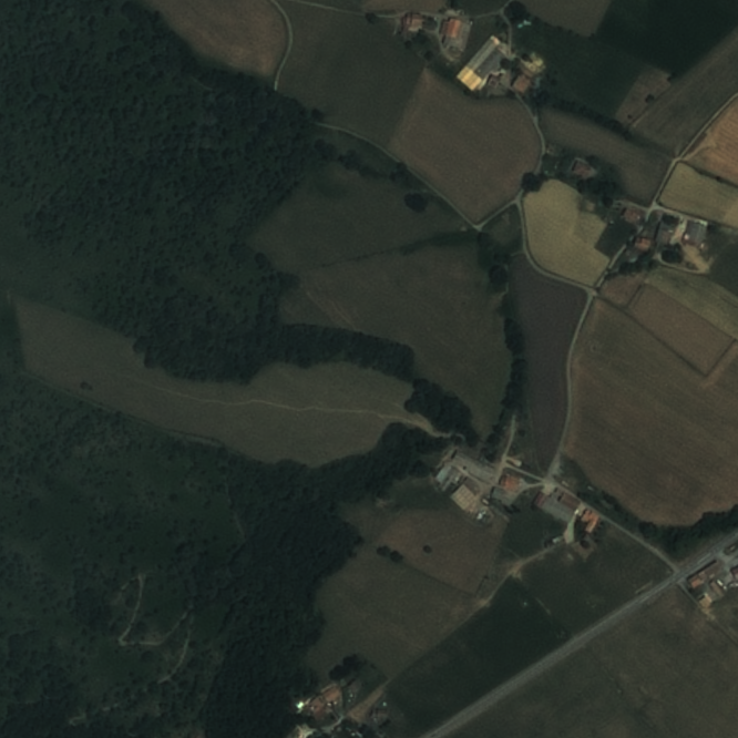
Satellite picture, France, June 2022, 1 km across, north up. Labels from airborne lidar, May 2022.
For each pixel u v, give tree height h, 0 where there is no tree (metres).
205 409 0
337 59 0
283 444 0
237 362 26
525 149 0
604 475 0
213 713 14
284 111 30
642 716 0
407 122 0
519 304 0
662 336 0
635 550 0
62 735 14
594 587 0
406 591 0
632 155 0
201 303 11
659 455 0
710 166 0
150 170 19
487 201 0
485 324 0
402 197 0
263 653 19
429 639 0
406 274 0
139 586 8
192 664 9
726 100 0
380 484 20
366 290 0
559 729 0
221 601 15
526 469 0
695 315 0
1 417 7
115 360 0
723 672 0
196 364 13
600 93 0
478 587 0
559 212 0
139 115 14
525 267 0
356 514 0
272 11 0
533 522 0
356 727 11
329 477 7
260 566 22
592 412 0
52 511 0
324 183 0
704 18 0
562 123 0
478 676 0
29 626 10
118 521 12
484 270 0
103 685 0
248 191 10
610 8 0
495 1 0
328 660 0
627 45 0
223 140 13
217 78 9
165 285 12
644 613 0
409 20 0
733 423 0
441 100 0
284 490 16
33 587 6
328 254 0
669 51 0
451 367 0
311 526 12
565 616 0
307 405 0
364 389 0
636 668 0
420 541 0
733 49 0
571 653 0
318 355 17
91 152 10
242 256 16
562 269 0
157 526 0
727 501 0
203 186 15
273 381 0
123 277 12
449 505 0
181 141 17
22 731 19
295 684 25
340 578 0
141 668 0
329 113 0
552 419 0
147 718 12
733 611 0
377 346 14
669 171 0
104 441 7
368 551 0
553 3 0
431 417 15
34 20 14
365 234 0
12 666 16
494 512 0
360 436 0
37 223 12
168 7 0
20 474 9
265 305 15
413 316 0
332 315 0
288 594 24
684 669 0
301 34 0
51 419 7
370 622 0
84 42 0
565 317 0
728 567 0
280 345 22
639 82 0
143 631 12
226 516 0
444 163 0
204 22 0
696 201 0
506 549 0
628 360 0
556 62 0
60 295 0
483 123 0
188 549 16
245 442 0
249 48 0
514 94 8
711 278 0
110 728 15
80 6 18
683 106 0
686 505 0
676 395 0
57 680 14
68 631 0
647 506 0
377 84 0
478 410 0
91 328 0
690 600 0
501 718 0
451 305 0
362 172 6
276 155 7
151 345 9
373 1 0
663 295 0
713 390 0
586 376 0
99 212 17
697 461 0
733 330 0
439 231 0
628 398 0
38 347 0
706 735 0
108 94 14
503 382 0
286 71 0
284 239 0
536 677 0
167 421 0
